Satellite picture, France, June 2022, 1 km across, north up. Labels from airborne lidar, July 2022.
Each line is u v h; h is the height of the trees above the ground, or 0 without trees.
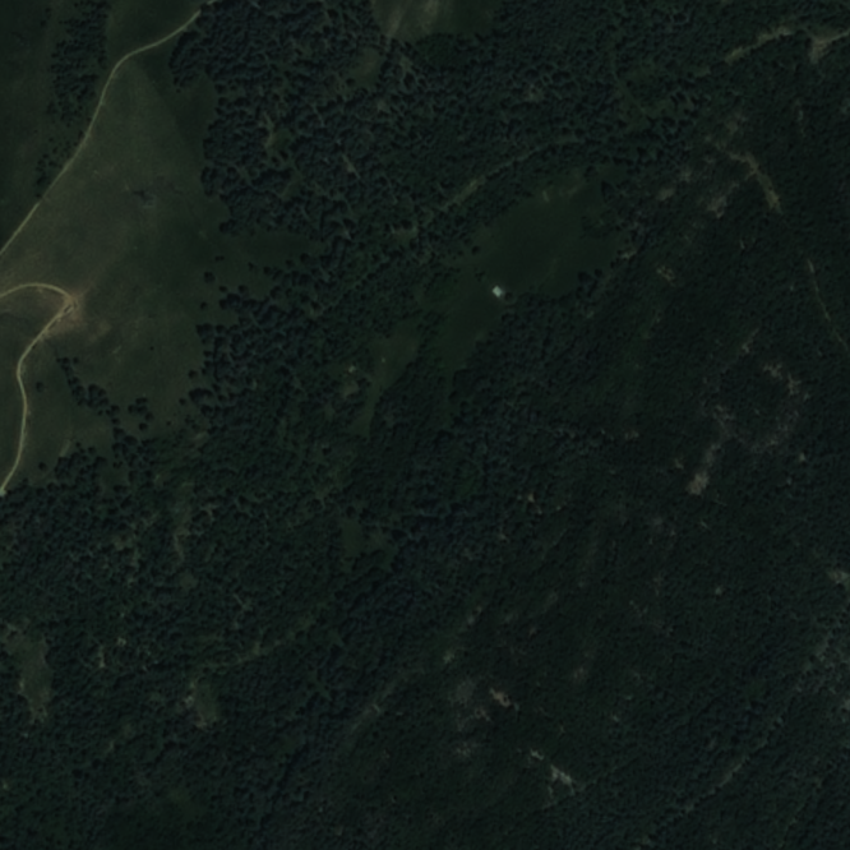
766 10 11
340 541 20
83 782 21
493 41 10
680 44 22
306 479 9
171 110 0
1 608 11
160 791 15
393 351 0
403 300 11
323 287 23
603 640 17
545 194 0
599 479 18
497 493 7
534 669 14
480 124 16
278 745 22
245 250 0
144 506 14
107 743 11
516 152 14
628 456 22
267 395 10
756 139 10
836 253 19
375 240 11
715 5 12
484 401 17
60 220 0
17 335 0
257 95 21
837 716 15
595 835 6
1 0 0
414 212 9
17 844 18
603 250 0
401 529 8
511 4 12
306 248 0
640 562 14
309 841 16
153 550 9
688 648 31
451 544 30
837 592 18
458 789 13
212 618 19
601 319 12
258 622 19
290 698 27
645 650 18
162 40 0
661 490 13
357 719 11
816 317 18
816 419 14
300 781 7
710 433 12
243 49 25
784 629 18
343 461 11
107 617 9
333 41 27
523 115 18
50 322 0
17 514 14
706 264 21
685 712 17
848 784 20
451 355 0
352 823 15
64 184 0
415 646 20
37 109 0
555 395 17
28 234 0
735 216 12
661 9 10
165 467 7
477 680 13
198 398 25
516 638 16
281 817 23
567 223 0
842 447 19
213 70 22
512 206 12
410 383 15
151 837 16
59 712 13
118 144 0
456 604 15
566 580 15
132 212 0
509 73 27
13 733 20
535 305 25
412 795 17
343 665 8
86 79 16
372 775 13
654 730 17
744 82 16
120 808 14
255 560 11
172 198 0
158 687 17
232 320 0
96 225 0
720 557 14
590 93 19
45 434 0
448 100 28
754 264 13
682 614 20
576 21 18
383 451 15
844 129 20
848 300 13
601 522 16
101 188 0
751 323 14
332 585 16
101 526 26
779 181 17
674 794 17
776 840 13
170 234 0
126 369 0
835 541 8
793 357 20
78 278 0
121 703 14
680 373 16
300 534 15
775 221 15
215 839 19
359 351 10
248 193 31
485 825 23
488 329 0
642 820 19
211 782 13
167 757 21
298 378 10
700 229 9
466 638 17
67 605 11
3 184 0
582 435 17
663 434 16
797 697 16
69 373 21
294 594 8
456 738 14
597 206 0
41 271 0
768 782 13
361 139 25
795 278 18
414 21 0
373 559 13
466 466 25
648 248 28
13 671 12
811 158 12
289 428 9
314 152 24
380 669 12
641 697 12
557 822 24
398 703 14
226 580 7
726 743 7
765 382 9
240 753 21
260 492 6
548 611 9
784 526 22
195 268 0
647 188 9
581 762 16
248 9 27
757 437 14
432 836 12
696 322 15
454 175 18
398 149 31
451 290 13
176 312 0
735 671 17
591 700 19
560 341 16
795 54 17
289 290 12
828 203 17
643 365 12
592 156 17
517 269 0
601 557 16
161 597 27
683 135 22
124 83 0
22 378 0
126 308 0
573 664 13
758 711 32
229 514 12
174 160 0
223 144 16
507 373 19
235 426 26
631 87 21
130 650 18
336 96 6
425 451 21
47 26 10
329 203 27
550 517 17
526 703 17
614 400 13
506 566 16
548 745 13
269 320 29
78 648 17
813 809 20
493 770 20
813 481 6
